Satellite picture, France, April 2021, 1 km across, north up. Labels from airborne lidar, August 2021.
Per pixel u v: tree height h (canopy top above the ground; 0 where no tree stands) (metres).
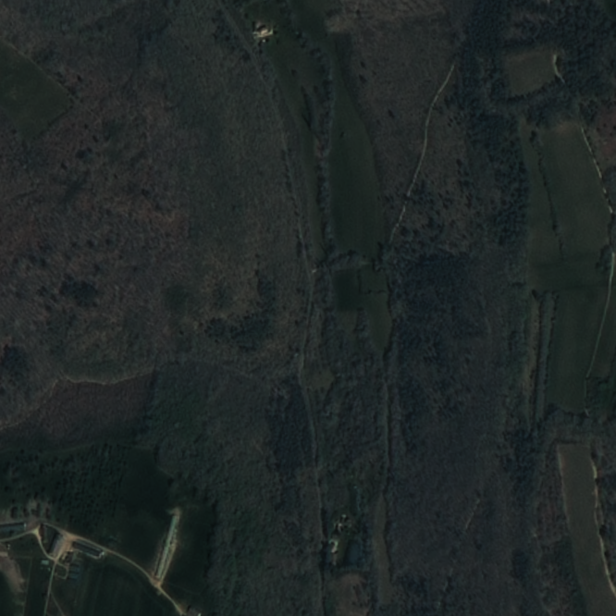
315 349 8
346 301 0
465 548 13
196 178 11
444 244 8
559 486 8
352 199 0
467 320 12
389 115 7
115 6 8
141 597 0
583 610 0
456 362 13
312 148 0
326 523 21
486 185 13
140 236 13
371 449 12
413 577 12
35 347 19
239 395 9
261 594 21
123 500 0
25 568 0
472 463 16
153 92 9
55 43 5
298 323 8
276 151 14
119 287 13
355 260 18
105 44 7
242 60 12
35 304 15
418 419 14
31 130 0
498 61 17
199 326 7
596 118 6
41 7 16
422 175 9
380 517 0
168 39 12
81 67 5
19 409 15
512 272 24
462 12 14
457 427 9
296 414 19
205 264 13
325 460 7
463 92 13
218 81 16
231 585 24
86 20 16
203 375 15
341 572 25
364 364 12
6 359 13
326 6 0
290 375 18
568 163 0
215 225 13
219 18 8
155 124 6
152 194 8
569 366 0
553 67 0
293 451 17
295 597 19
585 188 0
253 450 10
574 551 0
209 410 13
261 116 17
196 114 14
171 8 20
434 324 17
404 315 14
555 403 0
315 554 8
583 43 11
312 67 0
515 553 13
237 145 14
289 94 0
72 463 12
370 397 14
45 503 7
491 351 13
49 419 6
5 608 0
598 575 0
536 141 10
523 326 13
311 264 10
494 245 14
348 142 0
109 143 17
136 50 6
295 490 15
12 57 0
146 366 16
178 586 0
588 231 0
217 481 17
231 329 8
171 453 15
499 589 10
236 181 13
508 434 6
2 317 16
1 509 0
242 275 12
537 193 0
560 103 20
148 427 13
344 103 0
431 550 11
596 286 0
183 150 13
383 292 5
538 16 19
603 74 24
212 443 12
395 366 18
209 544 13
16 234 6
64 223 18
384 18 0
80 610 0
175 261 14
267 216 14
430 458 8
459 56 12
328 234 20
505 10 22
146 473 0
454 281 17
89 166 16
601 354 0
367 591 19
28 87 0
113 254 15
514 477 10
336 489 11
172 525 0
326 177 19
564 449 0
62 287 9
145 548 0
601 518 9
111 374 18
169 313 6
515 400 9
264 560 17
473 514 6
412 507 11
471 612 9
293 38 0
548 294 8
